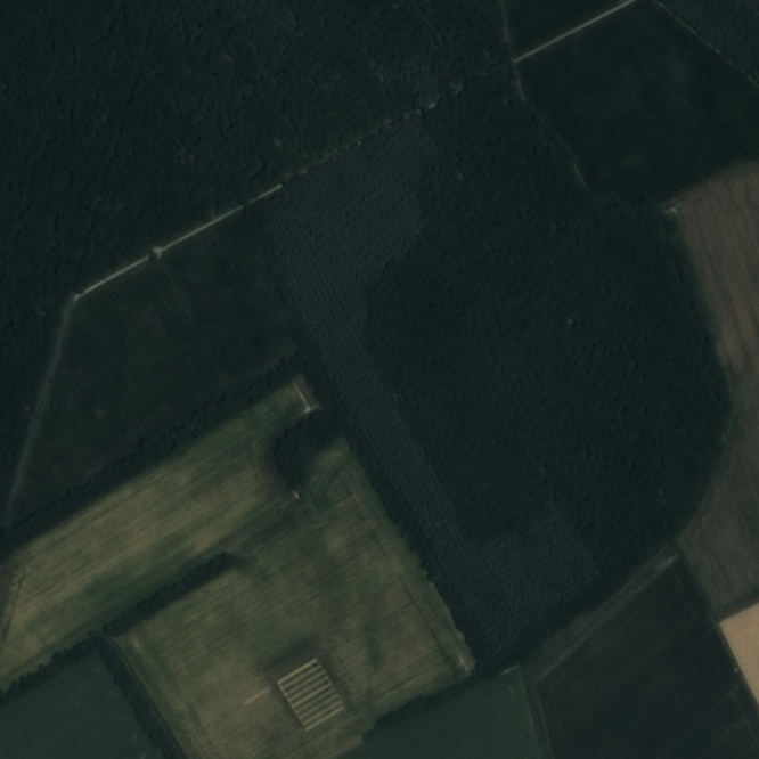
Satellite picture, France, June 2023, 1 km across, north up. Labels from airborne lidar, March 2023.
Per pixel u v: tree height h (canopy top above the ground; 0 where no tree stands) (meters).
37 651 0
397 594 0
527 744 0
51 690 0
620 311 20
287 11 22
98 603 0
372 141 10
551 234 14
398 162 16
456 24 24
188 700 0
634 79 0
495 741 0
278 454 15
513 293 23
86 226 23
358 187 17
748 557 0
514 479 21
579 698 0
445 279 22
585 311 21
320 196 12
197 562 0
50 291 24
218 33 22
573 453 23
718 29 21
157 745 14
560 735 0
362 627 0
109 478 17
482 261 24
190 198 22
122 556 0
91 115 24
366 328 15
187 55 26
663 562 0
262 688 0
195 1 22
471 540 16
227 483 0
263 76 22
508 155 23
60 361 0
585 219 22
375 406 17
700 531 0
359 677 0
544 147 25
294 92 22
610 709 0
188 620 0
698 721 0
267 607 0
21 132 28
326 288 14
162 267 0
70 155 22
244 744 0
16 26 20
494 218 23
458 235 21
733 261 0
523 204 24
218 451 0
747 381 0
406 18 21
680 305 22
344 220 16
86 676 0
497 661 12
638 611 0
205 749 0
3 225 25
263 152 21
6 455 24
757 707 0
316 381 17
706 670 0
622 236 24
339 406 12
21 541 17
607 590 13
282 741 0
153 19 19
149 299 0
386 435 14
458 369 19
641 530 20
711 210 0
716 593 0
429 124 18
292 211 16
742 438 0
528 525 15
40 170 22
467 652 0
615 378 25
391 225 18
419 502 14
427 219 17
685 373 23
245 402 17
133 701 12
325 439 14
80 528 0
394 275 21
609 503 25
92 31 25
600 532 24
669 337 23
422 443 16
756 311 0
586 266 24
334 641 0
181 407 0
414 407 17
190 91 25
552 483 19
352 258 14
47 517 18
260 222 6
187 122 22
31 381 26
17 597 0
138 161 23
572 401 22
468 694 0
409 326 22
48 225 24
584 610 14
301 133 21
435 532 16
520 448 22
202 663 0
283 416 0
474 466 19
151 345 0
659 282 22
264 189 14
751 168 0
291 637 0
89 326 0
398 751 0
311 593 0
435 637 0
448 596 14
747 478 0
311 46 22
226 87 22
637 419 29
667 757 0
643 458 27
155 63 26
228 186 24
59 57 24
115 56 24
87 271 25
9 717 0
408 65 22
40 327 25
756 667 0
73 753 0
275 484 0
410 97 18
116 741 0
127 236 25
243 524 0
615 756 0
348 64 18
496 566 17
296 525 0
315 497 0
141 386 0
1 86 22
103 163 19
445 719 0
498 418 18
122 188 21
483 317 19
